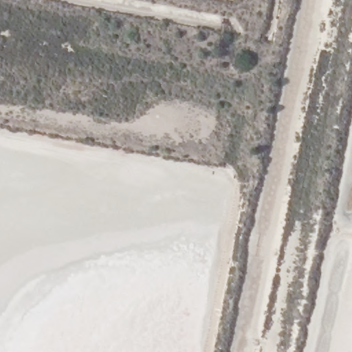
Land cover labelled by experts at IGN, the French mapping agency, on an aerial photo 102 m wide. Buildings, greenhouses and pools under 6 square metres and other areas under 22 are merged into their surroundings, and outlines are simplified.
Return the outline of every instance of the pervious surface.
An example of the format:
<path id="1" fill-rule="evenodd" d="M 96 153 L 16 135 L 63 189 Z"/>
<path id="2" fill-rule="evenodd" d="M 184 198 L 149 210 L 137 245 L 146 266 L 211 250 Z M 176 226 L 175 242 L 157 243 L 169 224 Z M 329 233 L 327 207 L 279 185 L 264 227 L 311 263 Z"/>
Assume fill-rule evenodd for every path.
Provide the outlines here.
<path id="1" fill-rule="evenodd" d="M 315 309 L 308 326 L 304 352 L 352 352 L 352 122 L 349 126 L 348 144 L 342 165 L 333 231 L 324 250 L 322 275 L 316 294 Z"/>
<path id="2" fill-rule="evenodd" d="M 316 250 L 322 210 L 313 213 L 311 219 L 313 232 L 309 236 L 307 261 L 302 278 L 302 296 L 301 300 L 298 300 L 298 311 L 304 311 L 307 304 L 308 279 Z"/>
<path id="3" fill-rule="evenodd" d="M 219 27 L 221 21 L 220 15 L 209 12 L 191 11 L 143 0 L 66 0 L 69 3 L 104 8 L 107 11 L 132 12 L 183 23 Z"/>
<path id="4" fill-rule="evenodd" d="M 179 99 L 164 102 L 148 109 L 142 117 L 135 118 L 128 122 L 117 122 L 99 115 L 91 117 L 52 110 L 30 110 L 25 104 L 0 104 L 0 352 L 214 352 L 221 309 L 227 291 L 228 274 L 234 265 L 232 253 L 235 234 L 242 213 L 243 198 L 239 192 L 239 181 L 234 168 L 224 158 L 223 143 L 217 142 L 213 133 L 216 126 L 216 111 L 203 109 L 191 102 L 181 102 Z"/>
<path id="5" fill-rule="evenodd" d="M 291 191 L 289 179 L 293 179 L 290 172 L 294 164 L 294 155 L 298 154 L 300 148 L 305 114 L 301 110 L 302 98 L 308 88 L 309 70 L 311 67 L 316 69 L 324 43 L 334 41 L 337 36 L 337 27 L 331 27 L 330 22 L 341 18 L 342 8 L 334 5 L 333 0 L 301 0 L 287 59 L 285 77 L 289 82 L 283 85 L 280 95 L 279 103 L 282 104 L 283 110 L 278 111 L 276 118 L 271 164 L 268 166 L 263 191 L 258 199 L 252 230 L 246 278 L 239 300 L 238 320 L 231 352 L 276 352 L 276 346 L 280 341 L 279 333 L 282 330 L 282 309 L 286 308 L 287 285 L 296 275 L 293 261 L 297 258 L 296 247 L 300 243 L 301 223 L 296 221 L 294 228 L 287 241 L 285 258 L 280 268 L 280 283 L 272 326 L 264 338 L 261 331 L 275 276 L 283 227 L 286 223 L 287 203 Z"/>

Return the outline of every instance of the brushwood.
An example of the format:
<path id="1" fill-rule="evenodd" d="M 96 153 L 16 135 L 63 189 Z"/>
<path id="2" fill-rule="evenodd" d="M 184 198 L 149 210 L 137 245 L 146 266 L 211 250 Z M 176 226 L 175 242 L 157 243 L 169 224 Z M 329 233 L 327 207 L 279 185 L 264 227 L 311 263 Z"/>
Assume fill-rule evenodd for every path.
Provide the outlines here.
<path id="1" fill-rule="evenodd" d="M 243 49 L 252 49 L 258 56 L 258 62 L 249 71 L 239 71 L 234 66 L 221 67 L 223 62 L 231 65 L 234 58 L 232 55 L 209 58 L 210 49 L 216 47 L 208 44 L 219 41 L 219 36 L 210 34 L 202 41 L 199 40 L 198 34 L 188 36 L 186 33 L 179 37 L 177 32 L 183 23 L 132 12 L 107 11 L 104 8 L 69 3 L 66 0 L 0 0 L 0 104 L 25 104 L 30 110 L 52 110 L 91 117 L 99 115 L 117 122 L 128 122 L 135 118 L 136 106 L 140 100 L 146 99 L 147 91 L 153 92 L 155 96 L 161 95 L 164 102 L 179 99 L 181 102 L 191 102 L 203 109 L 216 111 L 216 126 L 213 133 L 217 142 L 223 143 L 224 158 L 234 168 L 239 181 L 249 181 L 246 158 L 252 155 L 252 148 L 264 144 L 268 137 L 267 132 L 258 131 L 256 120 L 258 113 L 268 113 L 271 107 L 269 98 L 274 95 L 269 93 L 269 88 L 276 88 L 274 78 L 269 77 L 272 63 L 279 62 L 280 55 L 287 59 L 301 0 L 293 0 L 286 25 L 278 27 L 276 40 L 268 40 L 275 0 L 143 0 L 191 11 L 209 12 L 220 15 L 221 21 L 230 21 L 231 16 L 235 16 L 245 29 L 243 33 L 236 34 L 234 44 L 230 45 L 232 55 L 241 54 Z"/>
<path id="2" fill-rule="evenodd" d="M 286 223 L 294 228 L 296 221 L 300 208 L 305 208 L 311 203 L 309 195 L 318 179 L 318 161 L 326 135 L 329 109 L 337 106 L 338 100 L 344 103 L 337 117 L 337 147 L 333 154 L 326 157 L 330 180 L 324 184 L 326 198 L 322 202 L 322 210 L 316 250 L 324 250 L 333 231 L 342 165 L 348 144 L 349 126 L 352 122 L 352 0 L 333 0 L 334 5 L 342 8 L 341 18 L 330 22 L 331 27 L 337 27 L 337 36 L 334 41 L 324 43 L 316 69 L 315 82 L 309 95 L 308 111 L 305 114 L 300 148 L 298 154 L 294 155 L 294 164 L 290 172 L 293 179 L 289 179 L 291 191 L 287 203 Z"/>
<path id="3" fill-rule="evenodd" d="M 231 352 L 238 320 L 239 300 L 246 278 L 252 230 L 246 225 L 243 232 L 241 261 L 238 263 L 239 278 L 235 286 L 230 327 L 219 352 Z"/>

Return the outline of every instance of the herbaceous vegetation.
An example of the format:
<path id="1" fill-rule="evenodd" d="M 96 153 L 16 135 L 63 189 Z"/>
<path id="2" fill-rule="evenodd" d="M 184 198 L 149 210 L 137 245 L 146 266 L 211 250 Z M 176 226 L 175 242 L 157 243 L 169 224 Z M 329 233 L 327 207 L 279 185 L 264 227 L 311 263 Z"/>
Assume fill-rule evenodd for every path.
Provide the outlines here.
<path id="1" fill-rule="evenodd" d="M 309 195 L 311 203 L 305 208 L 300 208 L 296 221 L 301 223 L 300 243 L 296 247 L 297 258 L 293 261 L 296 275 L 287 285 L 286 308 L 282 309 L 282 330 L 279 333 L 280 341 L 276 346 L 276 352 L 304 352 L 308 326 L 315 309 L 316 294 L 322 275 L 324 250 L 316 250 L 308 279 L 307 304 L 304 311 L 298 311 L 298 300 L 301 300 L 302 296 L 302 278 L 307 261 L 309 236 L 313 232 L 311 219 L 313 213 L 322 210 L 322 202 L 326 198 L 324 184 L 330 180 L 326 157 L 333 154 L 337 147 L 337 117 L 344 103 L 338 100 L 337 106 L 329 109 L 326 135 L 318 161 L 318 179 Z"/>
<path id="2" fill-rule="evenodd" d="M 308 88 L 302 98 L 301 110 L 305 114 L 308 111 L 309 95 L 315 82 L 316 69 L 311 67 L 309 70 Z"/>
<path id="3" fill-rule="evenodd" d="M 239 71 L 249 71 L 258 62 L 258 56 L 252 49 L 243 49 L 241 54 L 232 55 L 234 58 L 231 65 L 223 62 L 221 67 L 234 66 Z"/>
<path id="4" fill-rule="evenodd" d="M 278 27 L 286 25 L 293 0 L 275 0 L 268 40 L 276 40 Z"/>
<path id="5" fill-rule="evenodd" d="M 164 102 L 161 95 L 155 96 L 153 92 L 147 91 L 146 99 L 140 100 L 136 106 L 135 118 L 142 117 L 148 109 Z"/>
<path id="6" fill-rule="evenodd" d="M 272 326 L 280 283 L 280 268 L 285 258 L 287 241 L 294 228 L 286 223 L 283 227 L 275 276 L 261 331 L 264 338 Z"/>
<path id="7" fill-rule="evenodd" d="M 177 32 L 179 37 L 186 33 L 188 36 L 198 34 L 199 40 L 202 41 L 210 34 L 219 36 L 219 41 L 208 44 L 216 47 L 210 49 L 209 58 L 232 55 L 230 45 L 234 44 L 236 34 L 243 33 L 245 29 L 235 16 L 231 16 L 230 21 L 221 21 L 219 27 L 183 23 Z"/>
<path id="8" fill-rule="evenodd" d="M 269 93 L 274 95 L 269 98 L 271 107 L 268 113 L 258 113 L 256 120 L 258 131 L 267 132 L 268 137 L 264 144 L 252 148 L 252 155 L 246 158 L 249 181 L 239 181 L 239 192 L 243 198 L 242 213 L 235 234 L 232 253 L 234 265 L 228 274 L 227 291 L 221 309 L 214 352 L 219 352 L 230 327 L 235 286 L 239 278 L 238 263 L 241 261 L 243 232 L 246 225 L 252 230 L 258 199 L 263 191 L 268 166 L 271 164 L 276 118 L 278 111 L 283 110 L 282 104 L 279 103 L 280 95 L 283 85 L 289 82 L 285 77 L 287 59 L 280 55 L 279 62 L 272 63 L 269 77 L 274 78 L 276 88 L 269 88 Z"/>

